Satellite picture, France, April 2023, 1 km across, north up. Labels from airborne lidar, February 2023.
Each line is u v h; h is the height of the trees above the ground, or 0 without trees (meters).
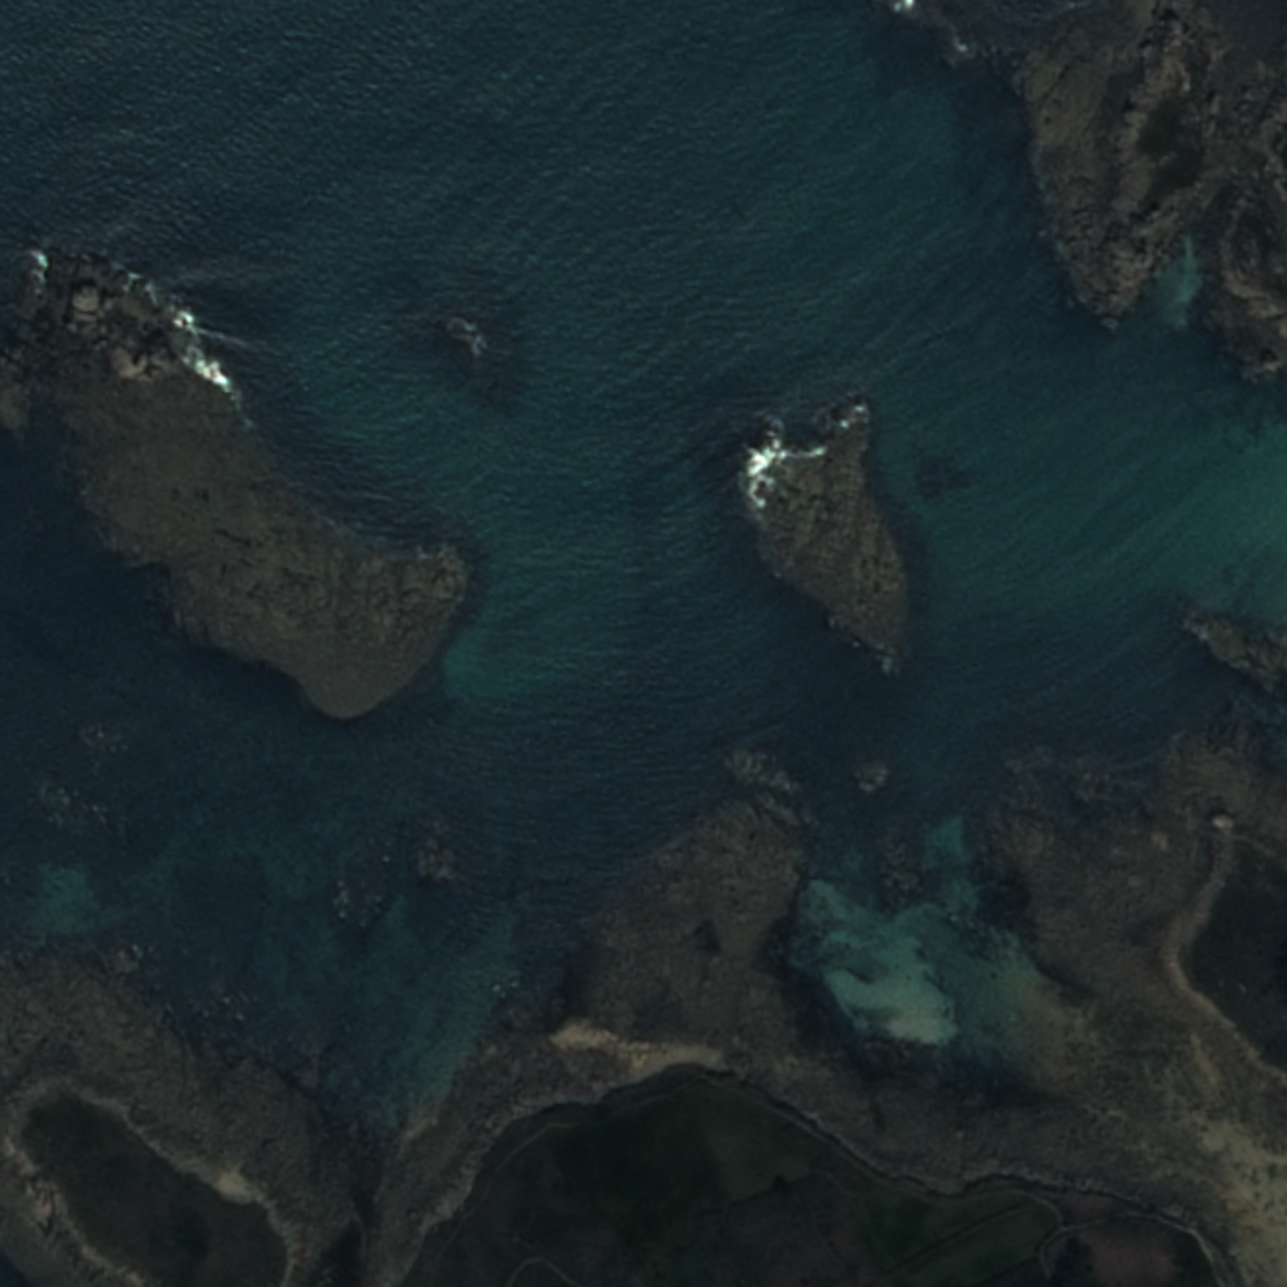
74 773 0
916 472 0
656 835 0
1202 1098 0
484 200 0
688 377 0
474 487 0
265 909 0
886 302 0
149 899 0
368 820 0
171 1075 0
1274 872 0
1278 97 0
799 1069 0
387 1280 0
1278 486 0
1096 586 0
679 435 0
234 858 0
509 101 0
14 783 0
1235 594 0
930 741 0
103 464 0
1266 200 0
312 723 0
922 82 0
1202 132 0
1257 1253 0
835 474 0
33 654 0
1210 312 0
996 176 0
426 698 0
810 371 0
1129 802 0
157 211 0
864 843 0
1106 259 0
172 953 0
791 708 0
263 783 0
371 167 0
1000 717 0
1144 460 0
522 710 0
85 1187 0
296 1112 0
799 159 0
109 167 0
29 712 0
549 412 0
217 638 0
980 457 0
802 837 0
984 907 0
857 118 0
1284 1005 9
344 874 0
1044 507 0
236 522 0
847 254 0
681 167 0
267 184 0
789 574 0
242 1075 0
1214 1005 0
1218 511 0
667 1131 0
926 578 0
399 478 0
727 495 0
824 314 0
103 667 0
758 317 0
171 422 0
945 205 0
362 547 0
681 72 0
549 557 0
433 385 0
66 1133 0
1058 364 0
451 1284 0
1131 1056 0
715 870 0
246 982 0
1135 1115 0
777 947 0
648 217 0
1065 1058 0
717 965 0
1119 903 0
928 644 0
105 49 0
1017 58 0
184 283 0
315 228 0
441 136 0
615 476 0
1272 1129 0
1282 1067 0
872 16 0
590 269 0
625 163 0
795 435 0
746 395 0
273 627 0
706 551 0
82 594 0
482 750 0
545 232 0
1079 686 0
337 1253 0
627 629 0
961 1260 0
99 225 0
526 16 0
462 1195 0
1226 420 0
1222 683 0
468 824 0
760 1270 0
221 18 0
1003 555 0
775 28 0
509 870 0
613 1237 0
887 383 0
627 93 0
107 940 0
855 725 0
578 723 0
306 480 0
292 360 0
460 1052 0
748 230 0
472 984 0
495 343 0
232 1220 0
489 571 0
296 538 0
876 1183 0
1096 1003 0
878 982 0
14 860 0
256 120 0
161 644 0
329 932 0
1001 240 0
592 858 0
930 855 0
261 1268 0
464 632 0
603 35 0
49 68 0
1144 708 0
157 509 0
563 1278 0
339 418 0
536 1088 0
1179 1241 0
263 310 0
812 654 0
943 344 0
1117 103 0
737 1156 0
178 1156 0
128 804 0
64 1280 0
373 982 0
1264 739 0
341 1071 0
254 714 0
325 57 0
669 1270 0
